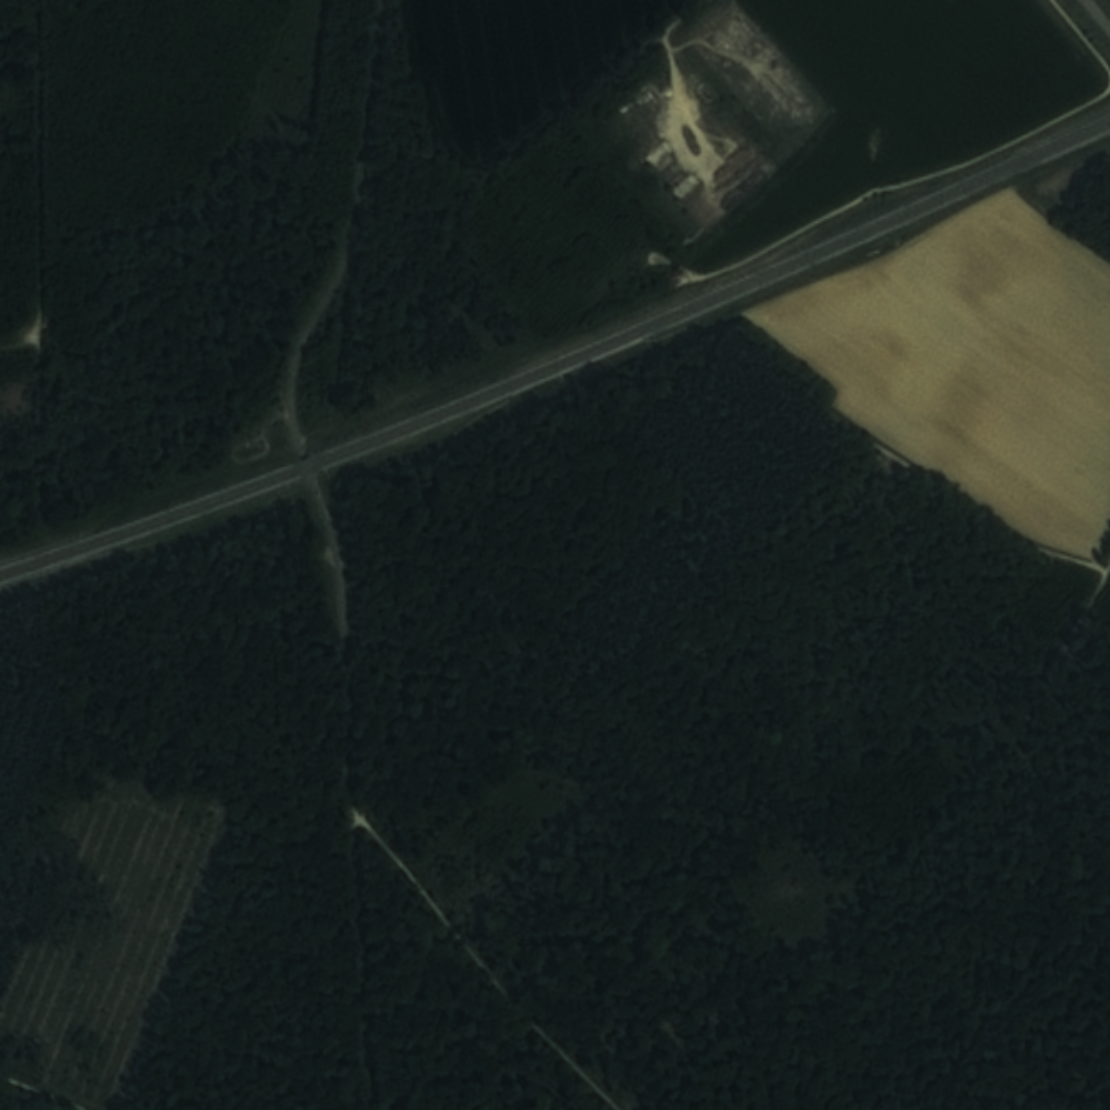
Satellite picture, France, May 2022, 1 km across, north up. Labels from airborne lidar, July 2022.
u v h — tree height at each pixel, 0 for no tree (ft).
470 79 0
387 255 78
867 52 0
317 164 62
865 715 71
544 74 0
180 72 32
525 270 22
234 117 31
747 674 87
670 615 70
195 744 73
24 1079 0
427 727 97
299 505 24
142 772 63
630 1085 86
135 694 76
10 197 35
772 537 79
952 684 83
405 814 95
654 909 70
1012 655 76
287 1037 84
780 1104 90
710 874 85
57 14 40
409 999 93
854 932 101
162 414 69
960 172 0
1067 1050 91
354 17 59
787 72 0
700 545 86
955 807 89
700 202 0
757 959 85
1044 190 0
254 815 75
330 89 59
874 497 63
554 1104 80
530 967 92
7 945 61
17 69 78
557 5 0
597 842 90
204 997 72
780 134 0
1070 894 90
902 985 85
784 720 84
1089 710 76
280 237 98
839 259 0
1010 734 86
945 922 95
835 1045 83
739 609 88
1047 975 90
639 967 102
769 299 0
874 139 0
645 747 90
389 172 63
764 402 88
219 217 81
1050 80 0
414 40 0
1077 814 95
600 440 77
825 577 84
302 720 76
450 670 101
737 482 90
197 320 69
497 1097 85
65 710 66
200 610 75
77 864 40
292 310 97
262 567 83
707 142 0
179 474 56
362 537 87
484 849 30
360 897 72
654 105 0
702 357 88
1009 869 79
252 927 73
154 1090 78
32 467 61
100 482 83
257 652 83
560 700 76
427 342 78
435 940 75
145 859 0
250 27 48
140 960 0
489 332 74
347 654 31
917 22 0
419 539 87
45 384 38
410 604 83
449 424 0
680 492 57
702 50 0
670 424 81
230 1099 74
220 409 79
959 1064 82
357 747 89
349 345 50
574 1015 76
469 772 104
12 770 78
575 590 82
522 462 86
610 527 83
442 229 82
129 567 78
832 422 60
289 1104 91
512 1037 98
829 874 86
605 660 66
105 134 32
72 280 39
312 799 72
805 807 86
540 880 96
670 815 100
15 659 56
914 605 83
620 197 26
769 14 0
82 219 39
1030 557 71
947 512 77
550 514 84
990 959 72
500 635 88
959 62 0
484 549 91
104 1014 29
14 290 32
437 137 49
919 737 87
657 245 21
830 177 0
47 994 0
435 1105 85
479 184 40
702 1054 84
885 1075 47
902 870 85
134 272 75
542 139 26
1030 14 0
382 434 0
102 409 61
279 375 29
